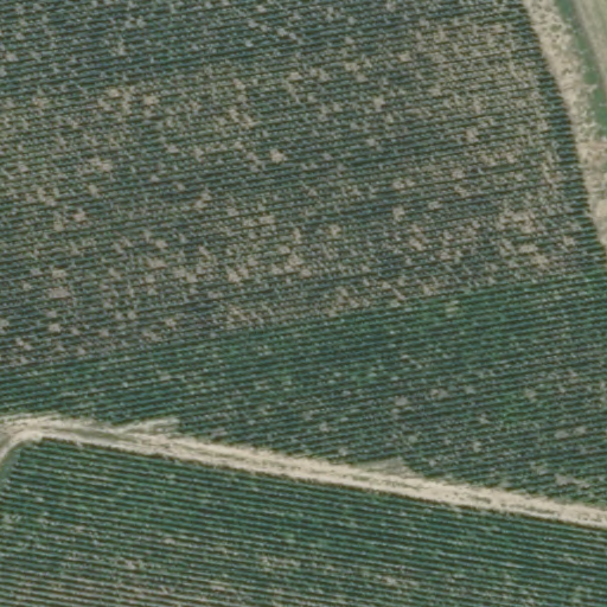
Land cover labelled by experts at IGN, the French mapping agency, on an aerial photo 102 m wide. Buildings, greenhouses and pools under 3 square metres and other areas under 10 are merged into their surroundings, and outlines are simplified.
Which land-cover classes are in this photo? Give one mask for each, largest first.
<instances>
[{"label":"vineyard","instance_id":"1","mask_svg":"<svg viewBox=\"0 0 607 607\"><path fill-rule=\"evenodd\" d=\"M569 26L560 17L555 0H0V415L57 413L66 420H97L116 427L156 417H178V432L183 436H192L209 443L263 448L282 455L325 460L332 465H365L368 469L382 474H405L410 469L422 479H434L443 484H469L496 491H515L524 496L550 498L560 503H581L607 510V119L602 121L590 109L595 85L586 83L583 76H579V59L574 57V47L569 45ZM0 607H607V526L541 519L500 510H479L469 505H448L401 493L370 491L311 479H292L266 472H247L225 465H206L197 460L133 453L90 443H71L59 439L24 441L14 446V451H9V455L0 465Z\"/></svg>","mask_w":607,"mask_h":607},{"label":"pervious surface","instance_id":"2","mask_svg":"<svg viewBox=\"0 0 607 607\"><path fill-rule=\"evenodd\" d=\"M59 439L71 443H90L133 453L197 460L206 465H225L247 472H266L292 479H311L370 491L401 493L448 505H469L479 510H500L541 519L607 526V510L581 503H560L550 498L524 496L515 491H496L469 484H443L434 479H422L410 469L405 474H382L368 469L365 465H332L325 460L282 455L263 448L209 443L192 436H183L178 432V417H156L116 427L97 420H66L57 413L0 415V465L9 455V451H14V446L24 441Z\"/></svg>","mask_w":607,"mask_h":607},{"label":"herbaceous vegetation","instance_id":"3","mask_svg":"<svg viewBox=\"0 0 607 607\"><path fill-rule=\"evenodd\" d=\"M560 17L569 26V45L574 47V57L579 59V76H583L586 83L595 85L590 109L602 121L607 119V62L600 66L595 62L593 45L586 36L574 0H555Z\"/></svg>","mask_w":607,"mask_h":607},{"label":"agricultural land","instance_id":"4","mask_svg":"<svg viewBox=\"0 0 607 607\"><path fill-rule=\"evenodd\" d=\"M586 36L593 45L595 62L600 66L607 62V0H574Z\"/></svg>","mask_w":607,"mask_h":607}]
</instances>
